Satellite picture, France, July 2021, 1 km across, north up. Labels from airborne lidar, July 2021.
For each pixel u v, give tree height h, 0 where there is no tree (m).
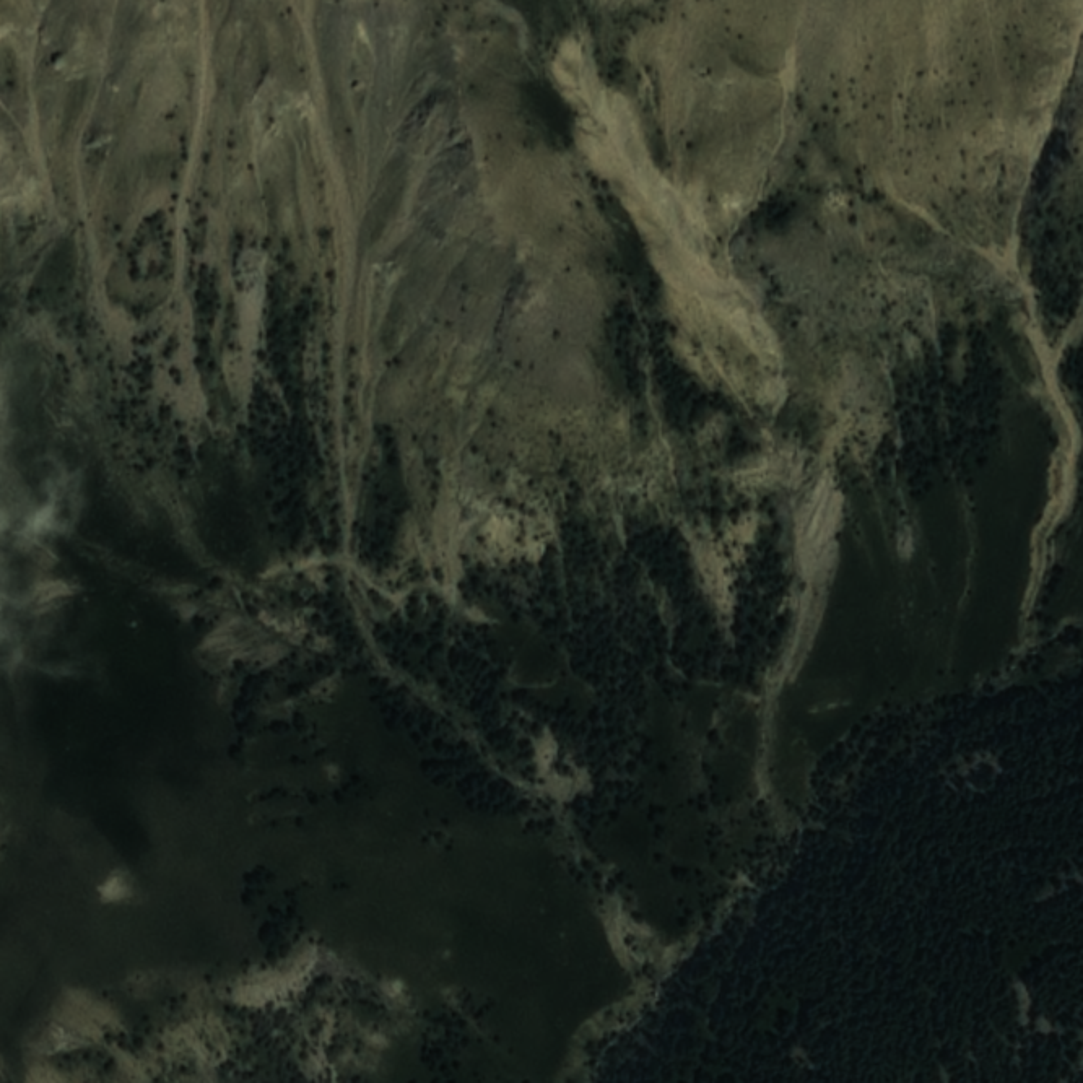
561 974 0
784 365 0
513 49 0
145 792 0
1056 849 21
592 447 0
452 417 0
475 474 0
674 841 0
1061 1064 19
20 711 0
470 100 0
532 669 0
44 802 0
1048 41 0
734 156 0
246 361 0
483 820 0
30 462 0
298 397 13
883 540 0
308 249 0
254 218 0
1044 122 0
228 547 0
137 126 0
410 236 0
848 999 19
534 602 15
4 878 0
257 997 0
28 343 0
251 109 0
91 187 0
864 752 12
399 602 0
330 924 0
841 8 0
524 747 16
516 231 0
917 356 0
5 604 0
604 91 0
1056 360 0
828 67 0
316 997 10
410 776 0
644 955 0
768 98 0
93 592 0
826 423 0
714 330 0
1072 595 0
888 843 25
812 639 0
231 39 0
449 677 6
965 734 20
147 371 8
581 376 0
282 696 0
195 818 0
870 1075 15
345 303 0
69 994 0
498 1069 0
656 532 11
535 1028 0
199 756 0
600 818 17
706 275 0
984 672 0
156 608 0
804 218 0
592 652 16
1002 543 0
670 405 10
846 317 0
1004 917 18
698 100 0
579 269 0
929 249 0
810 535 0
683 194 0
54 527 0
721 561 0
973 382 10
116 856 0
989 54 0
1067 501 0
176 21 0
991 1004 17
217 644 0
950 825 27
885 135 0
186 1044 0
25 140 0
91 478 0
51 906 0
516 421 0
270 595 0
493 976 0
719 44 0
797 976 20
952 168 0
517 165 0
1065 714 8
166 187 0
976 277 0
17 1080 0
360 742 0
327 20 0
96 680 0
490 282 0
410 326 0
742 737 0
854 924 21
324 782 0
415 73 0
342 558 0
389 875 0
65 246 0
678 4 0
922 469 11
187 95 0
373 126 0
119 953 0
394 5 0
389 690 12
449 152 0
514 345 0
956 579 0
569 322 0
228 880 0
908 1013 21
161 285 0
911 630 0
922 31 0
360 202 0
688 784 0
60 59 0
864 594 0
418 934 0
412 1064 0
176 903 0
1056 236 15
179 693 0
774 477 0
